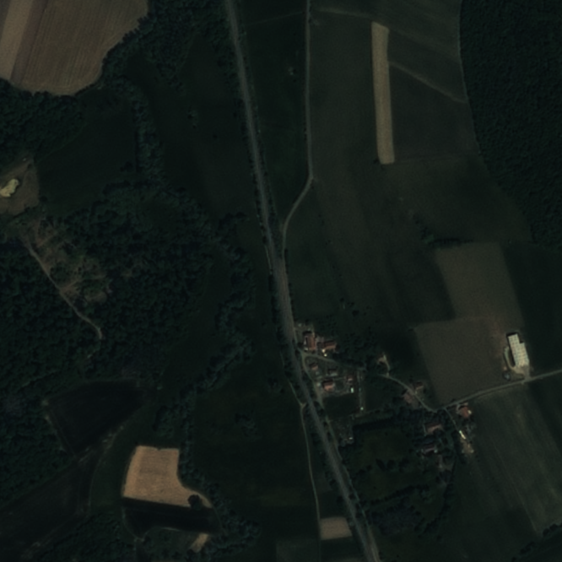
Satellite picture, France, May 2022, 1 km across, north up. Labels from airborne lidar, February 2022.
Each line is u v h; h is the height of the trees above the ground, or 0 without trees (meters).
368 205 0
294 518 0
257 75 0
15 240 0
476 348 0
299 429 0
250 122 0
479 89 15
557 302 0
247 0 0
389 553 0
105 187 0
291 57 0
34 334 28
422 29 0
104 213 15
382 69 0
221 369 15
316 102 0
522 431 0
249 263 14
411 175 0
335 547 0
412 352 0
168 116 0
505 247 0
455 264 0
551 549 0
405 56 0
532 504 0
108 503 0
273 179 0
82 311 31
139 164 19
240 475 0
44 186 0
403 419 14
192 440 9
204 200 0
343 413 0
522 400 0
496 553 0
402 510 18
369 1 0
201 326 0
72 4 0
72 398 0
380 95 0
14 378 27
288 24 0
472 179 0
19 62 0
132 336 21
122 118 0
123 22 0
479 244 0
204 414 0
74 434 0
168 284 29
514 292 0
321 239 0
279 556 0
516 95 20
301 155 0
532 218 13
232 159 0
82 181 0
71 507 0
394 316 0
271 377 0
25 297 27
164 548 0
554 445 0
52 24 0
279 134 0
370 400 0
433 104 0
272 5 0
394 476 0
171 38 13
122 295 28
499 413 0
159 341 35
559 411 0
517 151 24
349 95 0
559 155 24
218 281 0
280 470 0
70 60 0
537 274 0
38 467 30
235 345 18
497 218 0
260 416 0
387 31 0
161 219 0
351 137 0
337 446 0
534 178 20
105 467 0
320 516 0
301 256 0
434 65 0
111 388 0
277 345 0
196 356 0
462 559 0
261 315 0
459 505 0
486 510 0
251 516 0
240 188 0
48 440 25
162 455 0
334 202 0
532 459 0
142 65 0
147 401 0
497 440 0
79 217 14
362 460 0
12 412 21
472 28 14
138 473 0
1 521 0
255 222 0
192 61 0
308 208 0
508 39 18
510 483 0
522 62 18
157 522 0
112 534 6
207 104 0
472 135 0
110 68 18
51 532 0
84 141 0
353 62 0
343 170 0
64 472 0
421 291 0
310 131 0
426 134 0
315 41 0
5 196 0
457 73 0
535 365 0
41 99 11
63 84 0
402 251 0
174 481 0
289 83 0
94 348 24
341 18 0
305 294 0
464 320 0
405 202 0
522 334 0
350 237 0
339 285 0
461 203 0
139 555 0
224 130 0
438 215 0
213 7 15
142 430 0
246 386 0
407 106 0
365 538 0
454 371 0
